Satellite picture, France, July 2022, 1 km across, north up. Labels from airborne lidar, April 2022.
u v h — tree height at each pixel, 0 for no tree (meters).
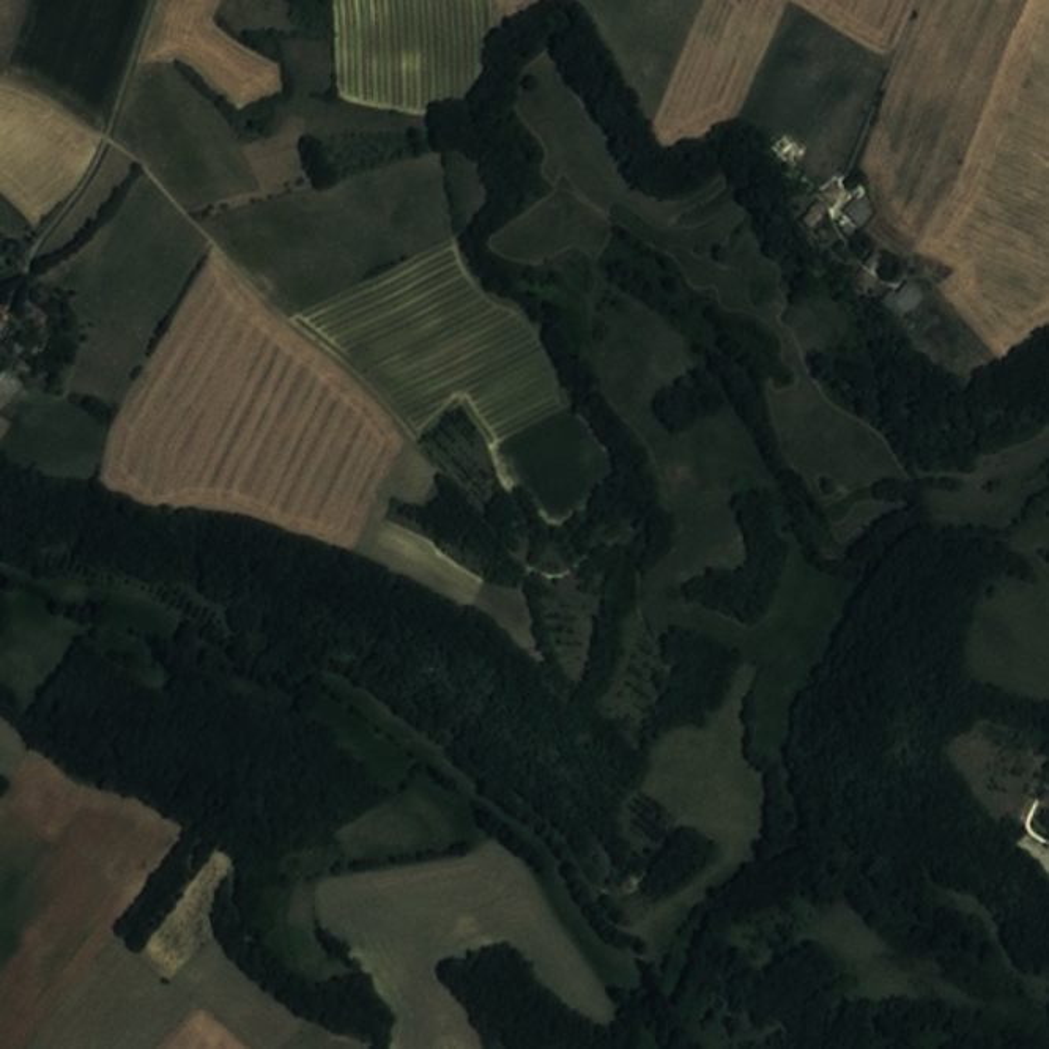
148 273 0
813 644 0
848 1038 20
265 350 0
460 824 0
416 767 8
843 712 20
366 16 0
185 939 0
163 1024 0
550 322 22
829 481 11
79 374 0
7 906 0
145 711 16
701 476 0
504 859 0
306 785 18
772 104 0
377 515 0
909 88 0
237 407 0
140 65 0
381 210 0
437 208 0
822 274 9
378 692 12
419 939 0
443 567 0
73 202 0
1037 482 0
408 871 0
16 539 16
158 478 0
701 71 0
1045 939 13
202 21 0
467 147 15
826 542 0
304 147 10
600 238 0
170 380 0
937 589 20
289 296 0
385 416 0
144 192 0
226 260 0
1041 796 9
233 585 13
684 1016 7
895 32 0
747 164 18
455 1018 0
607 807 13
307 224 0
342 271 0
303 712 17
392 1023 10
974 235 0
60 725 22
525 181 20
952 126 0
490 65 14
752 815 0
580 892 14
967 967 7
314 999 18
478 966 16
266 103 5
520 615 0
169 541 26
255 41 9
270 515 0
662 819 10
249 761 19
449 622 21
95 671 23
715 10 0
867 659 24
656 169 18
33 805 0
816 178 0
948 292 0
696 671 15
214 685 14
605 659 16
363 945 0
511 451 0
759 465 0
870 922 10
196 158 0
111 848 0
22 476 11
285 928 0
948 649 19
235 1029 0
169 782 20
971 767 0
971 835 9
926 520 15
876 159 0
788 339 0
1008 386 18
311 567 19
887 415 16
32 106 0
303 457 0
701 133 0
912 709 10
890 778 14
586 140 0
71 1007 0
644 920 0
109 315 0
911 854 14
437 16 0
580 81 23
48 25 0
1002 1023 0
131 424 0
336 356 0
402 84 0
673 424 19
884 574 24
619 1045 16
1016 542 0
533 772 7
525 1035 14
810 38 0
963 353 0
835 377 20
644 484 24
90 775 10
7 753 0
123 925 11
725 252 16
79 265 0
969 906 0
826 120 0
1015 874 6
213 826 8
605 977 0
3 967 0
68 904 0
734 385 23
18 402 0
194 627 11
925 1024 18
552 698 7
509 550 9
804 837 14
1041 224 0
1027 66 0
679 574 0
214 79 0
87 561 12
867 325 7
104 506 20
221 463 0
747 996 14
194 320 0
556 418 0
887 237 0
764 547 11
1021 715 13
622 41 0
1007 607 0
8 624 9
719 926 15
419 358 0
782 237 13
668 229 0
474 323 0
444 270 0
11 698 14
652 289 20
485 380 0
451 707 9
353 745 0
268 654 12
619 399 0
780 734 0
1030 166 0
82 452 0
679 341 0
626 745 12
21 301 12
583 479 0
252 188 0
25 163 0
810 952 16
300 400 0
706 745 0
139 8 0
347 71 0
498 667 9
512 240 0
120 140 0
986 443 14
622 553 13
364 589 23
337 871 12
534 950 0
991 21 0
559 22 10
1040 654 0
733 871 0
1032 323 0
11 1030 0
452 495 12
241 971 10
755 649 0
